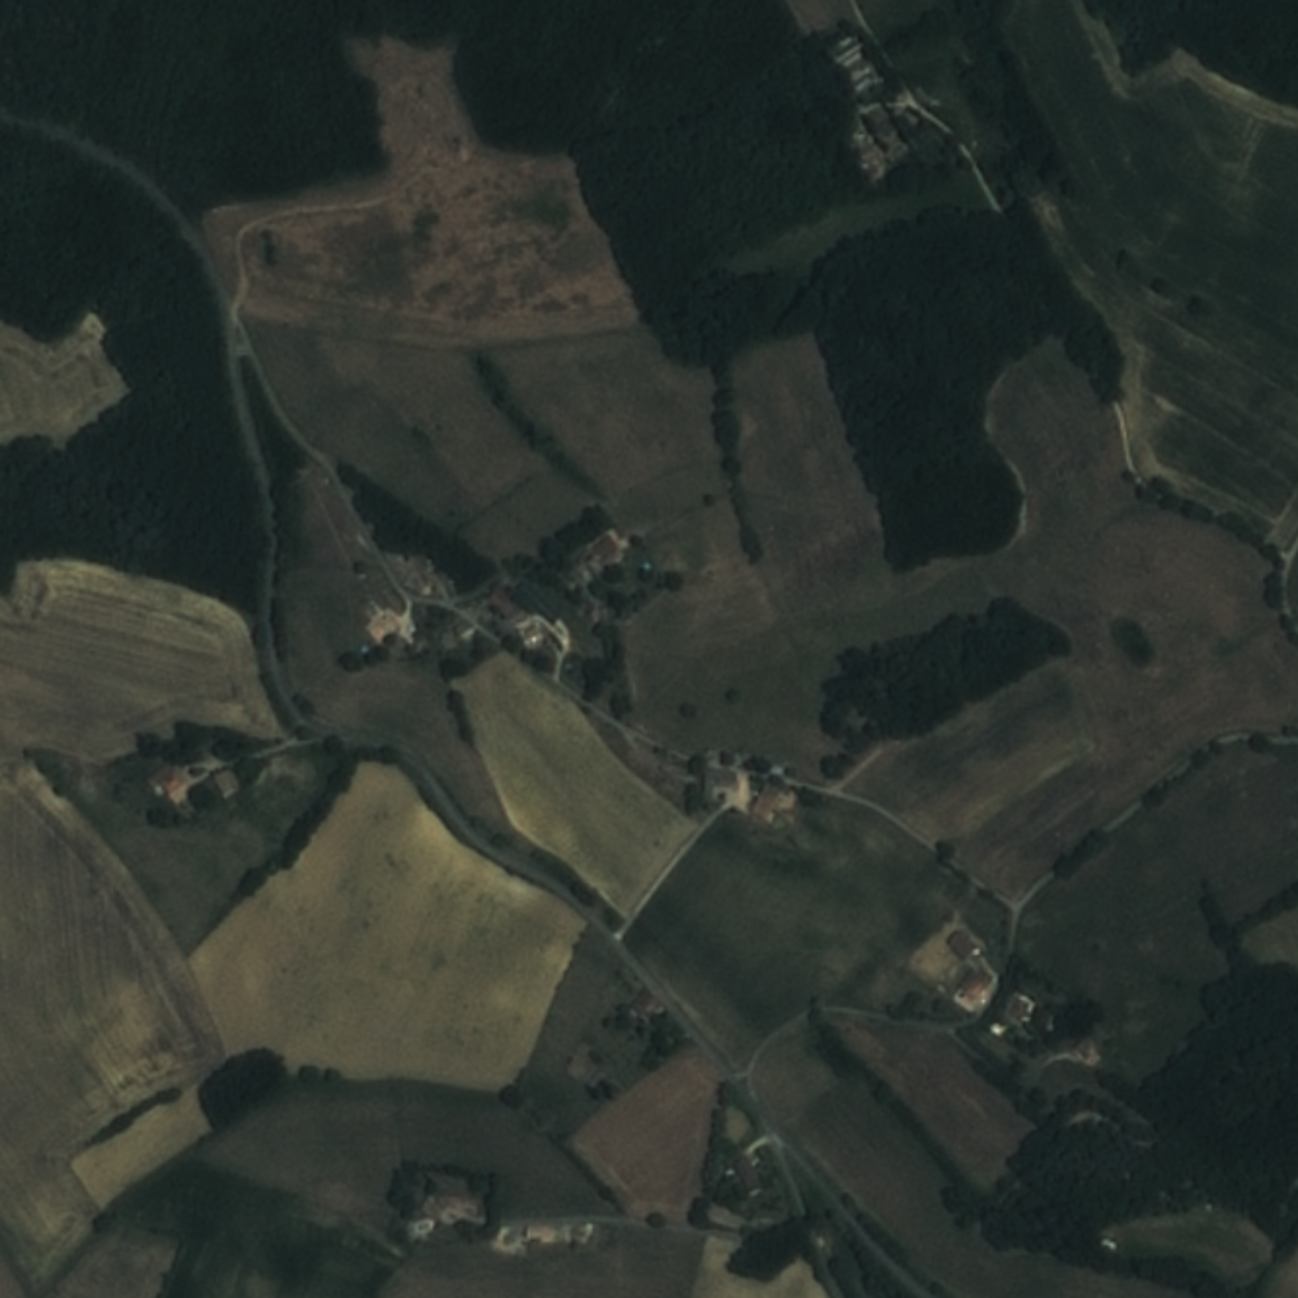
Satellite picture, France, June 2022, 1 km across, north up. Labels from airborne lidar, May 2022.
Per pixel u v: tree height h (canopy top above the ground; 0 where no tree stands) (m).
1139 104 0
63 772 0
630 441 0
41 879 0
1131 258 14
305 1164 0
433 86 0
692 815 7
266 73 6
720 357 19
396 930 0
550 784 0
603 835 0
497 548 0
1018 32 0
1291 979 15
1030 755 0
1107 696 0
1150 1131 14
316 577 0
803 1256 8
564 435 0
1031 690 0
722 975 0
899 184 19
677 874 0
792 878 0
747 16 6
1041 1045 10
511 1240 0
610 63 6
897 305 23
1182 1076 20
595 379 0
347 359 0
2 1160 0
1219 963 0
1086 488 0
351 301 0
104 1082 0
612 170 20
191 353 14
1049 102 0
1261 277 0
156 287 12
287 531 10
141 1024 0
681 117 7
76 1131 0
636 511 0
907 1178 0
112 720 0
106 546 12
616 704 10
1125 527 0
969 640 21
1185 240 0
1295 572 0
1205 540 0
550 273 0
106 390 0
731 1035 0
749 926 0
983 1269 0
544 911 0
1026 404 0
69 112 15
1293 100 5
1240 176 0
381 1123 0
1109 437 0
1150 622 0
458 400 0
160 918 0
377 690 0
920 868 0
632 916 0
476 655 7
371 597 0
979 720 0
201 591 13
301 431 0
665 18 7
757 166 12
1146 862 0
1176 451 0
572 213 0
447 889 0
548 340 0
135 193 8
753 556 11
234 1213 0
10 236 18
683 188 13
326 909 0
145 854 0
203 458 15
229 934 0
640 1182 0
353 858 0
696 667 0
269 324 0
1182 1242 0
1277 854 0
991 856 0
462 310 0
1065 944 0
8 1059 0
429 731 0
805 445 0
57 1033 0
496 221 0
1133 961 0
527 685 0
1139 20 18
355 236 0
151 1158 0
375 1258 0
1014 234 19
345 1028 0
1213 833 0
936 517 11
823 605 0
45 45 13
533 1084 0
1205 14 14
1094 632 0
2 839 0
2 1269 0
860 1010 0
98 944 0
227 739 11
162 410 13
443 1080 0
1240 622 0
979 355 19
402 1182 11
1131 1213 9
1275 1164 19
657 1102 0
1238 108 0
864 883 0
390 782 0
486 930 0
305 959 0
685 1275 0
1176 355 0
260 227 0
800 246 0
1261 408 0
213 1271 0
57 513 16
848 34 8
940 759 0
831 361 20
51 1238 0
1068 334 13
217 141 6
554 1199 0
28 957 0
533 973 0
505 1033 0
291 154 6
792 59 15
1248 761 0
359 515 9
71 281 11
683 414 0
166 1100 10
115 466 21
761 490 0
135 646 0
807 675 0
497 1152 0
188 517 20
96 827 0
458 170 0
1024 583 0
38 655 0
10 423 0
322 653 0
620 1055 0
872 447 20
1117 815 0
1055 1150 16
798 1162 0
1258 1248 0
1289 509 0
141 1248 0
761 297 25
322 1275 0
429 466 0
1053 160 18
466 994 0
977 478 10
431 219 0
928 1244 0
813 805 8
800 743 0
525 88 9
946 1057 0
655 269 20
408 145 0
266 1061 23
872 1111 0
